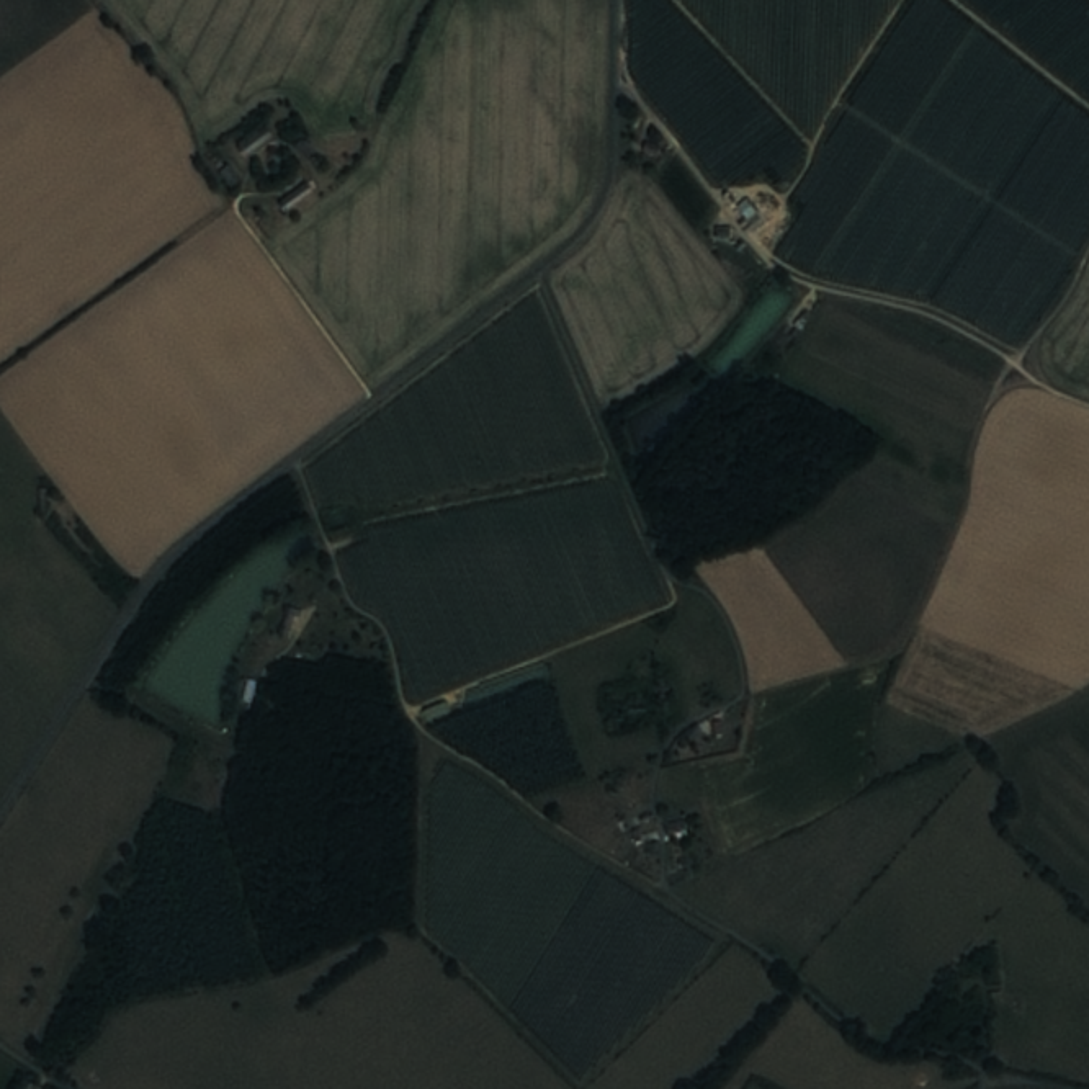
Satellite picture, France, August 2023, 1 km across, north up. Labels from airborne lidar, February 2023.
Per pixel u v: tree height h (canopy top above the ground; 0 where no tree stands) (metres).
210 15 0
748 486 17
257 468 0
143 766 0
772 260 0
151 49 12
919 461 0
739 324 0
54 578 0
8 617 0
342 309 0
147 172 0
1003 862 0
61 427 0
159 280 0
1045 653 0
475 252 0
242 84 0
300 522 25
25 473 0
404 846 16
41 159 0
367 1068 0
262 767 7
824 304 0
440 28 0
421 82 0
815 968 0
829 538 0
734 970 0
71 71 0
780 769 0
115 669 6
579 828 0
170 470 0
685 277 0
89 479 0
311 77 0
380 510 0
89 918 0
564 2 0
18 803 0
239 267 0
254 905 11
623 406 10
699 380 10
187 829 10
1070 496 0
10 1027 0
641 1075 0
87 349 0
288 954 12
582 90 0
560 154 0
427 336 0
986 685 0
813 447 16
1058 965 0
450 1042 0
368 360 0
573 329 0
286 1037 0
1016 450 0
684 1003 0
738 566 0
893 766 0
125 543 0
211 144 6
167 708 0
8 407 0
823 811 0
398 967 0
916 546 0
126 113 0
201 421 0
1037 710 0
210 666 0
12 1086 6
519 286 0
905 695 0
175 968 7
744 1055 12
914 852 0
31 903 0
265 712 13
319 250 0
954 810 0
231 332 0
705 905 0
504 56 0
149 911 8
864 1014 0
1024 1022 0
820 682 0
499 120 0
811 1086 0
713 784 0
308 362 0
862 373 0
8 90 0
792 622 0
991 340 0
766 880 0
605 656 0
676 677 0
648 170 8
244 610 0
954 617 0
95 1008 6
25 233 0
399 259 0
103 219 0
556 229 0
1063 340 0
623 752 0
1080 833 0
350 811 17
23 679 0
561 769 15
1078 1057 0
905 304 0
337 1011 0
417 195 0
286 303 0
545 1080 0
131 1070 0
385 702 8
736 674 0
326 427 0
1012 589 0
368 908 15
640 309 0
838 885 0
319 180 0
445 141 0
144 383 0
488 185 0
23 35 0
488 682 0
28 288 0
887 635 0
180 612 11
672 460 21
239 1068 0
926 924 0
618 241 0
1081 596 0
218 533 9
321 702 13
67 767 0
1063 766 0
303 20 0
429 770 0
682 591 0
